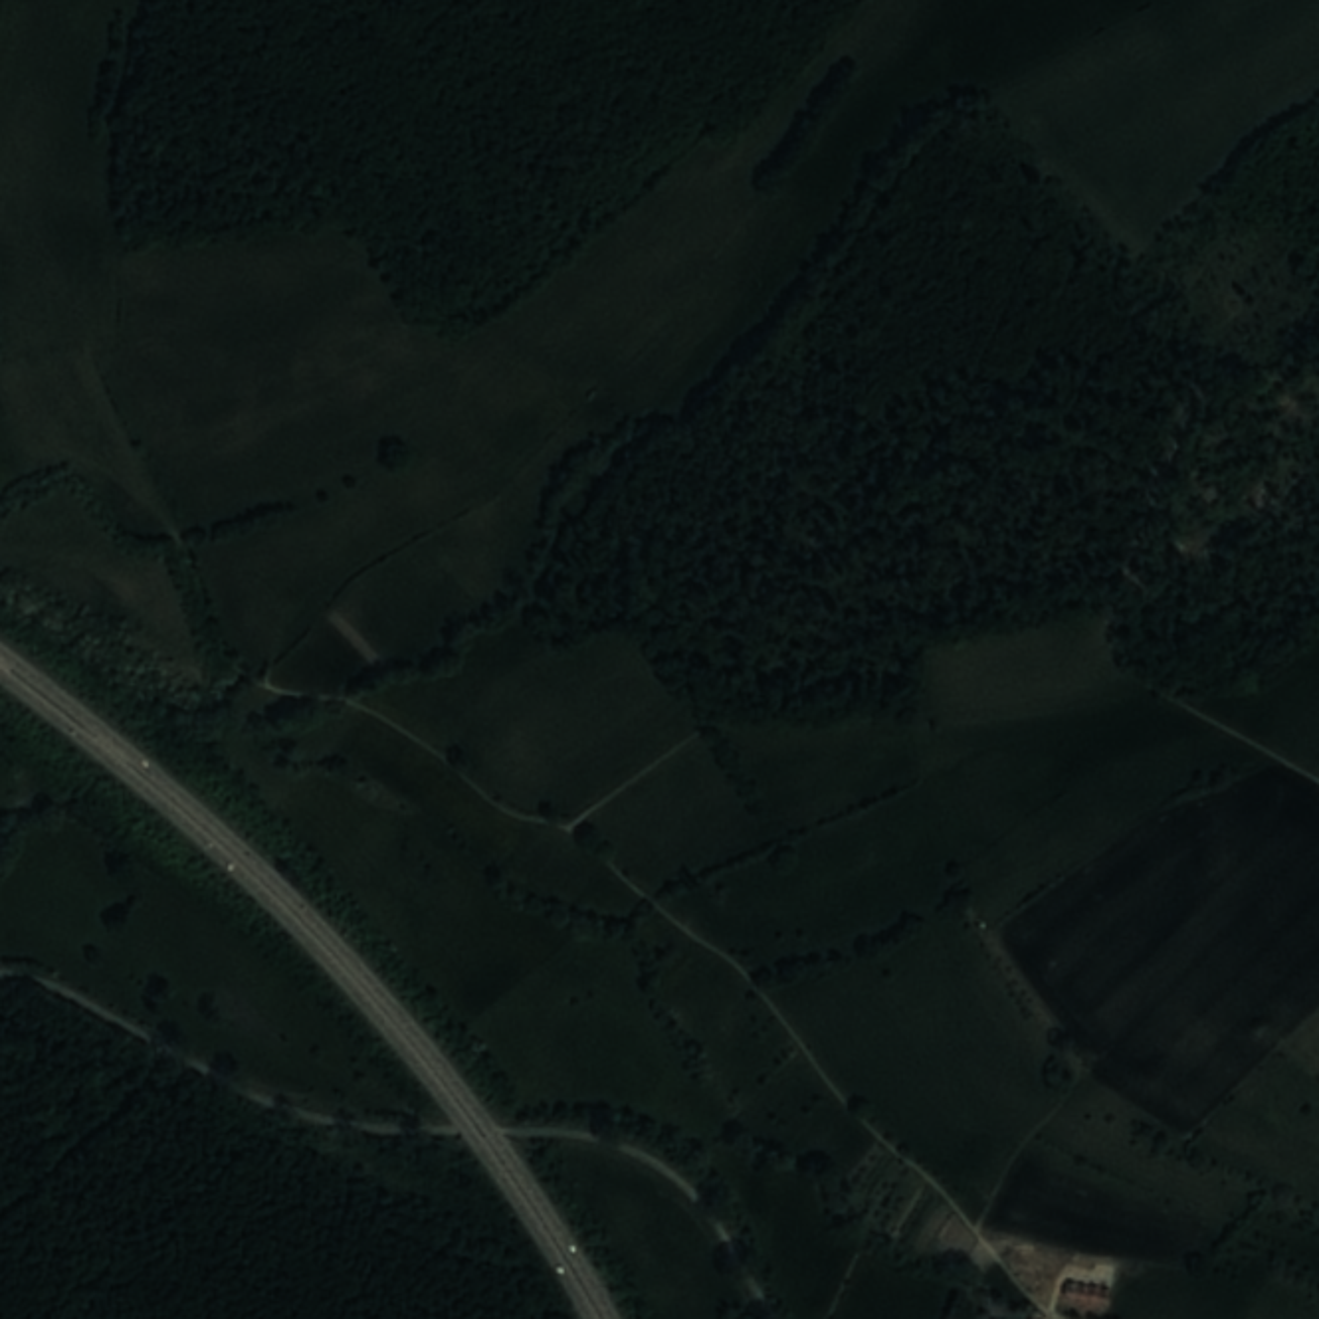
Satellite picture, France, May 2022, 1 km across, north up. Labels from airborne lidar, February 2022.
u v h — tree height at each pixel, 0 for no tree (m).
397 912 0
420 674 10
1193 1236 0
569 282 0
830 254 22
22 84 0
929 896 0
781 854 15
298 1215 17
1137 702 0
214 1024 22
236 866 0
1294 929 0
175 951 0
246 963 0
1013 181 7
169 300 0
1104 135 0
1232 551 30
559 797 0
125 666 7
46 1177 16
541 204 11
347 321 0
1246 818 0
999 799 0
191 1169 19
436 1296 21
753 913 0
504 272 8
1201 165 0
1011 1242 0
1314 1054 0
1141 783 0
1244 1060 0
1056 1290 0
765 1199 0
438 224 23
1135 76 0
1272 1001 0
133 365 0
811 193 0
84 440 0
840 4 17
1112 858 0
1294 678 0
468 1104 0
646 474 18
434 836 0
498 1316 24
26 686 0
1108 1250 0
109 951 0
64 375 0
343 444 0
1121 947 0
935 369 12
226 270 0
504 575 0
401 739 0
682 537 30
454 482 0
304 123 21
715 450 22
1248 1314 0
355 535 0
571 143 19
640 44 23
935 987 0
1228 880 0
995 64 0
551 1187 7
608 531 24
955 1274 20
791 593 17
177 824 0
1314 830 0
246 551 0
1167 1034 0
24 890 0
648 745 0
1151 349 12
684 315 0
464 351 0
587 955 0
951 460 34
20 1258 18
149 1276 20
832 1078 0
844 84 19
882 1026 0
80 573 0
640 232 0
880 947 11
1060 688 0
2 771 8
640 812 0
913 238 8
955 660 0
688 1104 0
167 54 20
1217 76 0
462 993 0
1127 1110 0
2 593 7
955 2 0
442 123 20
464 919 0
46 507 0
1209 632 23
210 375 0
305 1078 0
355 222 14
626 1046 0
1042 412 31
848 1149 0
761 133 0
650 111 22
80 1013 13
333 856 0
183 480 0
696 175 0
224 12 24
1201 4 0
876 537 32
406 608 0
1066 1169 0
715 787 0
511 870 0
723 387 20
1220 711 0
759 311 0
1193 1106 0
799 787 0
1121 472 10
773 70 20
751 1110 0
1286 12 0
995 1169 0
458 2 20
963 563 31
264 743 8
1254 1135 0
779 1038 0
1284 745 0
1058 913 0
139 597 0
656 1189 0
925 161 9
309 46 19
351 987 0
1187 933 0
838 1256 0
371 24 22
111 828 8
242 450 0
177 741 13
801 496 31
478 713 0
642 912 7
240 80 23
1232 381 29
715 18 24
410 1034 0
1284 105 0
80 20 0
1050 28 0
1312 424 0
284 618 0
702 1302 0
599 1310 0
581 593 13
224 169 21
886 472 31
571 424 0
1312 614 23
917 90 0
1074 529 20
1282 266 0
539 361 0
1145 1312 0
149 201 16
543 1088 0
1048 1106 0
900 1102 0
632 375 0
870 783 0
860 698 26
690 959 0
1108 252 7
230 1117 15
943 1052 0
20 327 0
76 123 0
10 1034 17
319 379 0
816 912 0
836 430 18
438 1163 15
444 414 0
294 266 0
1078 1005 0
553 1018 0
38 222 0
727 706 22
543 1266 7
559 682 0
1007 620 15
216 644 9
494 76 22
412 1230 15
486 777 0
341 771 12
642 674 0
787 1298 0
